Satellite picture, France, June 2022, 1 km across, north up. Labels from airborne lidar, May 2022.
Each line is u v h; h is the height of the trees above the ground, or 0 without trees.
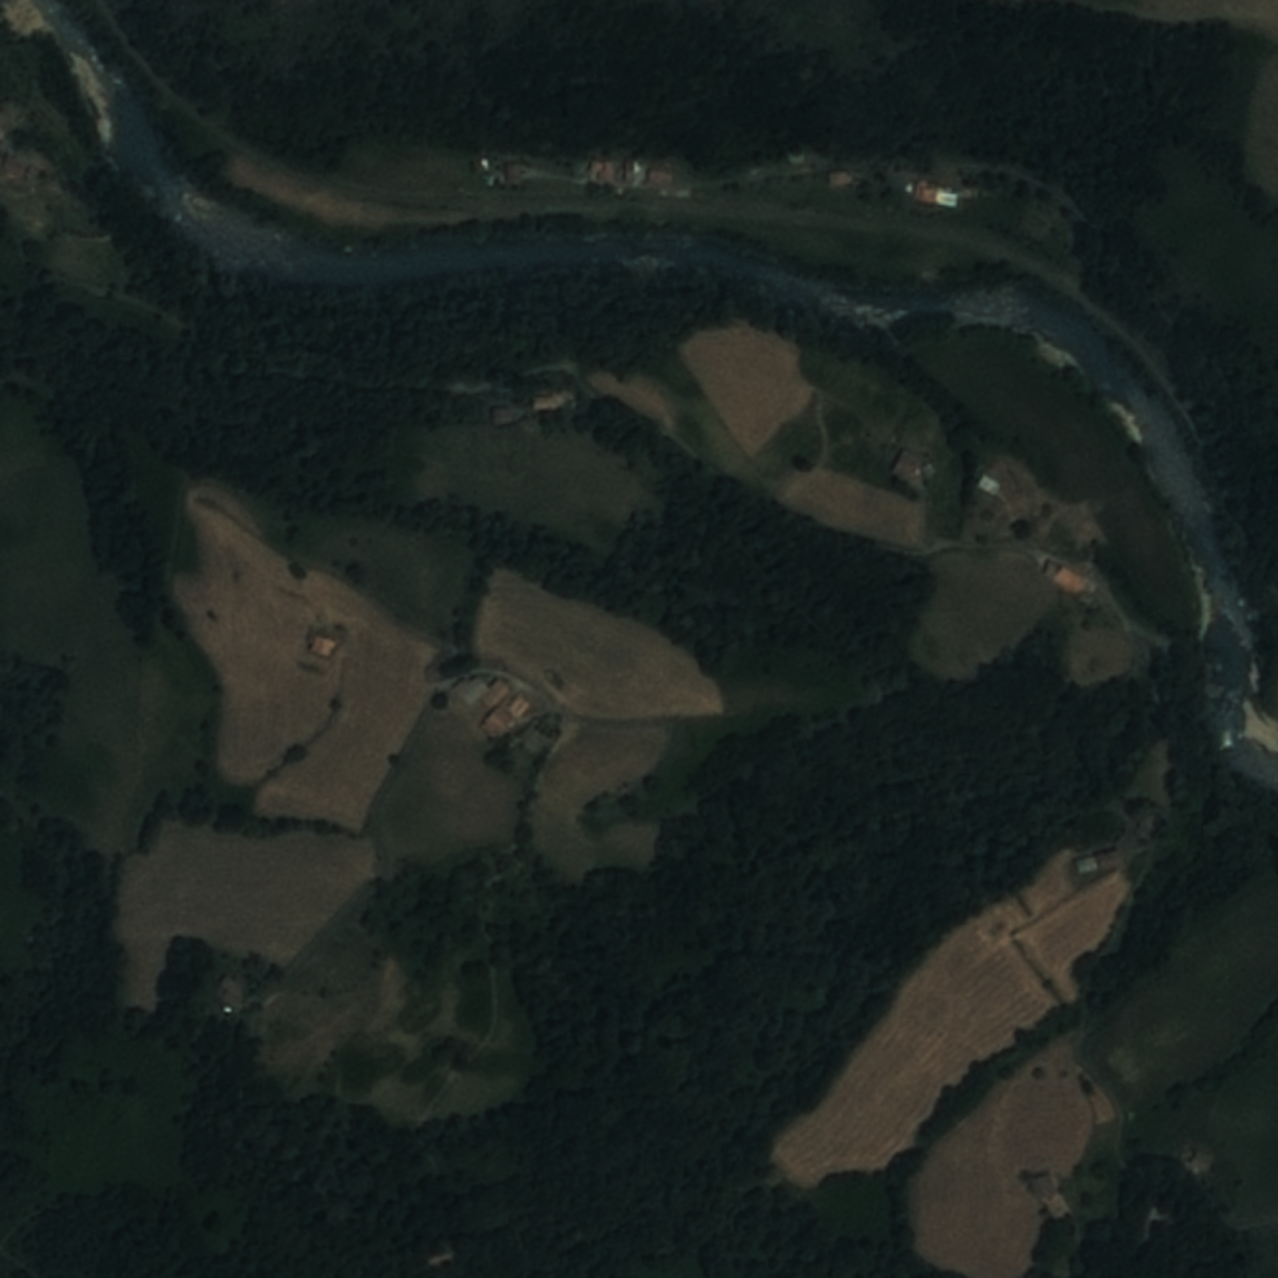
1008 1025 0
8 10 13
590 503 0
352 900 0
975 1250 0
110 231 14
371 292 15
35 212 0
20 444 0
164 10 8
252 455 18
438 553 0
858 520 0
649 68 20
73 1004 12
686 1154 24
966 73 23
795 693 0
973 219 0
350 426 20
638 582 16
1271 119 0
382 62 12
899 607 17
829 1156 0
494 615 0
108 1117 0
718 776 9
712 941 14
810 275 9
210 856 0
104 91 0
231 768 0
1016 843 18
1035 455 0
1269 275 0
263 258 0
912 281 6
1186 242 0
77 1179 0
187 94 20
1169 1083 0
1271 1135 0
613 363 21
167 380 20
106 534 13
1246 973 0
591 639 0
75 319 22
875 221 0
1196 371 22
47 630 0
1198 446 7
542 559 22
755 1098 12
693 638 10
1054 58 23
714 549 20
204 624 0
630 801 10
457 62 7
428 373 11
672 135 19
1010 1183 0
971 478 10
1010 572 0
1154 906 15
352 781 0
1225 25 6
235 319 21
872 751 15
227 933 0
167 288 8
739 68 8
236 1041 12
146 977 0
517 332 19
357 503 12
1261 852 22
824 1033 15
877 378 0
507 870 16
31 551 0
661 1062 33
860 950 16
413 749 0
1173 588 0
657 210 0
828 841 23
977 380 0
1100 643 0
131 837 0
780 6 6
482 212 0
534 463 0
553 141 23
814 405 0
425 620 0
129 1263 28
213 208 0
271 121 17
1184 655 12
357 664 0
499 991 0
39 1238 7
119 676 0
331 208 0
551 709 0
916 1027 0
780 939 27
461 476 0
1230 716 0
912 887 22
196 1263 15
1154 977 6
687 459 18
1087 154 28
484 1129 10
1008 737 7
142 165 0
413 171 0
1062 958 0
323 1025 0
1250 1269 11
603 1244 11
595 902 16
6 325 17
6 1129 12
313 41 7
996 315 0
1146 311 17
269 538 0
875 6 6
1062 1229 11
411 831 0
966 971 0
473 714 0
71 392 10
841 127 25
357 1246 15
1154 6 0
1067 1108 0
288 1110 16
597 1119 20
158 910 0
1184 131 16
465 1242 20
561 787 0
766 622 20
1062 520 0
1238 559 18
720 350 0
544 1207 19
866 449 0
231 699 0
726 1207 6
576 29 14
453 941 12
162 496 0
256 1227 12
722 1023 14
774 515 20
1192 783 26
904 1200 7
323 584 0
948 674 0
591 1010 11
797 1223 18
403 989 0
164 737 0
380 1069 0
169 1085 0
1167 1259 11
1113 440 0
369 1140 22
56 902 7
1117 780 25
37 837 6
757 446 0
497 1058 0
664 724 0
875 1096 0
